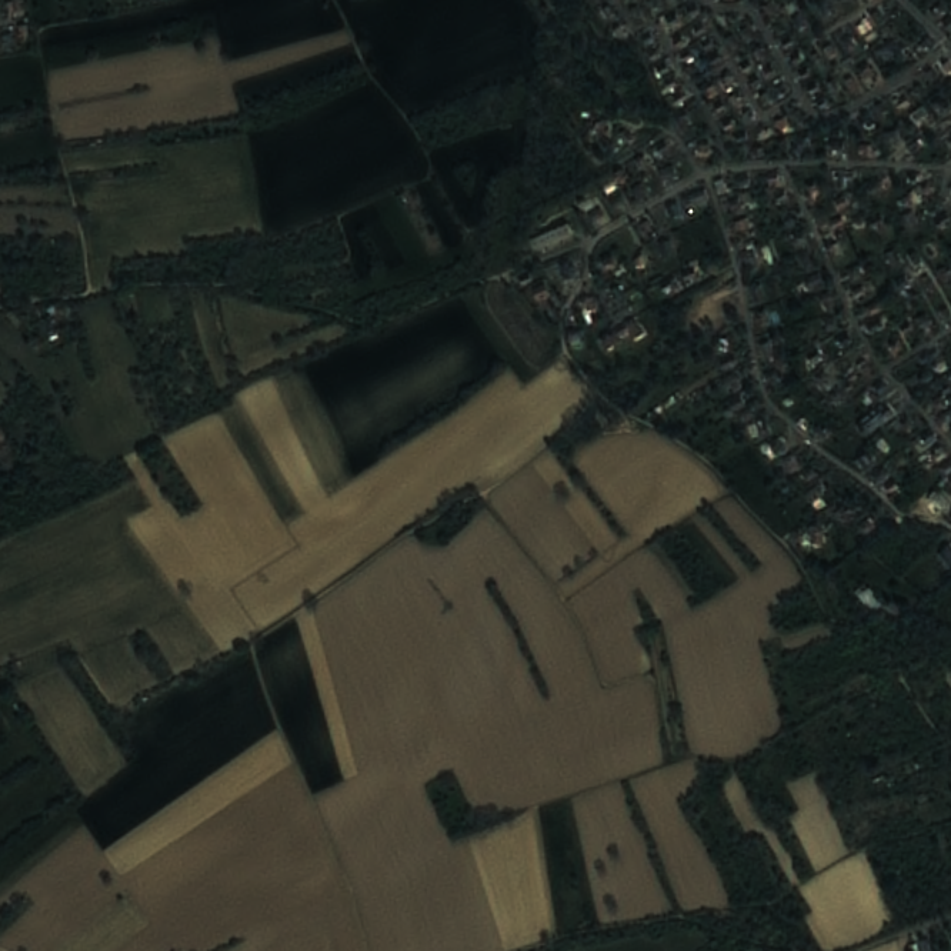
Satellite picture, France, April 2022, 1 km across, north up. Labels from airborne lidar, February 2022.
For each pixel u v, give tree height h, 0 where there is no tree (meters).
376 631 0
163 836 0
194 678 10
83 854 0
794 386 16
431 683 0
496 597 7
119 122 0
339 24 0
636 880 0
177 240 0
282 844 0
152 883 0
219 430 0
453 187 0
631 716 0
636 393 18
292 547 0
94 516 0
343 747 0
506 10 0
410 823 0
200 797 0
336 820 0
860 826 0
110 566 0
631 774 0
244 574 0
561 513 0
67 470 8
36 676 0
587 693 0
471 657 0
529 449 0
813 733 0
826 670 6
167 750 0
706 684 0
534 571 0
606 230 0
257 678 0
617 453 0
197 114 0
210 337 0
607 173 12
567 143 25
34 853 0
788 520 0
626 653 0
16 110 9
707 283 5
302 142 0
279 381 0
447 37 0
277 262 6
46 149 0
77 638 0
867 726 10
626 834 0
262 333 0
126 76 0
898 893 18
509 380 0
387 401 0
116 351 0
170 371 13
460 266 8
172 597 0
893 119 7
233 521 0
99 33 0
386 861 0
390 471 0
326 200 0
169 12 0
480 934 0
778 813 17
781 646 0
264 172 0
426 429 8
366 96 0
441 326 0
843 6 9
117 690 0
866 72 0
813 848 0
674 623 0
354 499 0
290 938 0
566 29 20
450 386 0
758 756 7
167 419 11
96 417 0
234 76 0
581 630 0
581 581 0
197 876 0
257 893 0
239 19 0
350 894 0
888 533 15
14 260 17
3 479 11
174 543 0
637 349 0
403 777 0
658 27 0
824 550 0
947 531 11
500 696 0
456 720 0
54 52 0
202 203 0
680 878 0
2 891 0
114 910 0
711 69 6
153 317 0
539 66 15
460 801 0
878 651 10
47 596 0
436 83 0
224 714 0
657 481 0
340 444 0
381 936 0
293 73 0
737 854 7
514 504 0
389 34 0
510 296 0
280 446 0
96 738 0
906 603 13
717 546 0
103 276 0
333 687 0
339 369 0
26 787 0
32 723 12
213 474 0
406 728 0
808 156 13
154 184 0
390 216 0
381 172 0
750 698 0
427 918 0
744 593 0
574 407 0
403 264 0
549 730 0
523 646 7
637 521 0
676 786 0
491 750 0
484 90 11
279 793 0
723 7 0
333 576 0
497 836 0
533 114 21
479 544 0
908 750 12
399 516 0
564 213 0
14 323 0
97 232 0
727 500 0
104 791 0
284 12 0
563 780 0
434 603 0
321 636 0
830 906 0
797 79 0
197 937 0
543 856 0
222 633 0
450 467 0
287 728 0
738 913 10
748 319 0
